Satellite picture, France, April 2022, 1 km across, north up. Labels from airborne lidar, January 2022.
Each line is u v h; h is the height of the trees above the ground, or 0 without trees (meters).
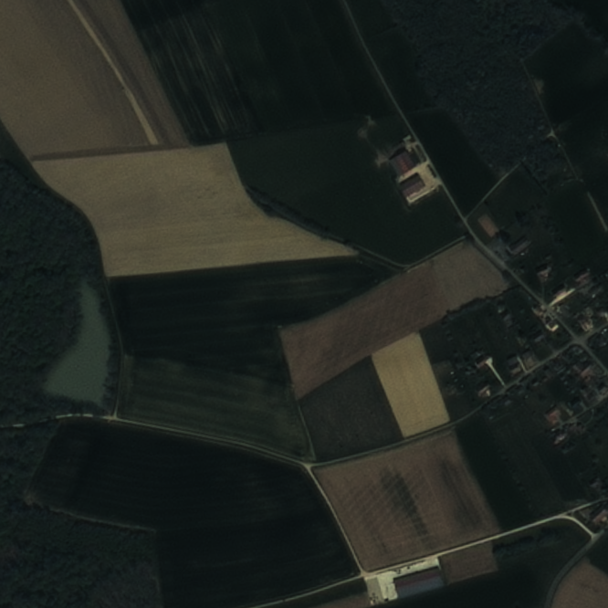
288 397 0
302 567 0
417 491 0
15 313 26
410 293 0
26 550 29
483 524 0
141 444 0
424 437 0
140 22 0
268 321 0
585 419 0
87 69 0
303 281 0
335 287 0
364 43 0
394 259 0
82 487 0
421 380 0
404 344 0
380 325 0
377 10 0
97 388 0
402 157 0
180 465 0
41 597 28
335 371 0
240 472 0
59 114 0
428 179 0
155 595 28
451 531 0
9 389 25
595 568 0
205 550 0
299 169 0
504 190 0
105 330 0
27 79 0
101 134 0
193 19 0
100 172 0
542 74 0
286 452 0
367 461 0
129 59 0
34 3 0
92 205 0
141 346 0
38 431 24
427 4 24
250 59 0
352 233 0
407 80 0
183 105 0
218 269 0
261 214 0
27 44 0
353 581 0
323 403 0
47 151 0
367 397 0
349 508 0
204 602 0
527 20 16
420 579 0
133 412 0
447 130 0
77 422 0
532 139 15
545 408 0
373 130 0
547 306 0
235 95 0
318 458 0
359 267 0
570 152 0
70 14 0
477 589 0
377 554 0
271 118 0
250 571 0
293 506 0
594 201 0
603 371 0
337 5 0
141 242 0
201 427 0
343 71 0
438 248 0
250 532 0
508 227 0
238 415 0
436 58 24
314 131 0
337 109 0
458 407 0
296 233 0
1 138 0
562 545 0
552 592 0
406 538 0
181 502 0
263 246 0
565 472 0
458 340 0
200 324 0
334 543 0
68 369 0
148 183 0
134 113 0
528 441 0
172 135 0
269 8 0
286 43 0
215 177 0
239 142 0
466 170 0
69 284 17
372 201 0
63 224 23
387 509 0
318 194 0
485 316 0
